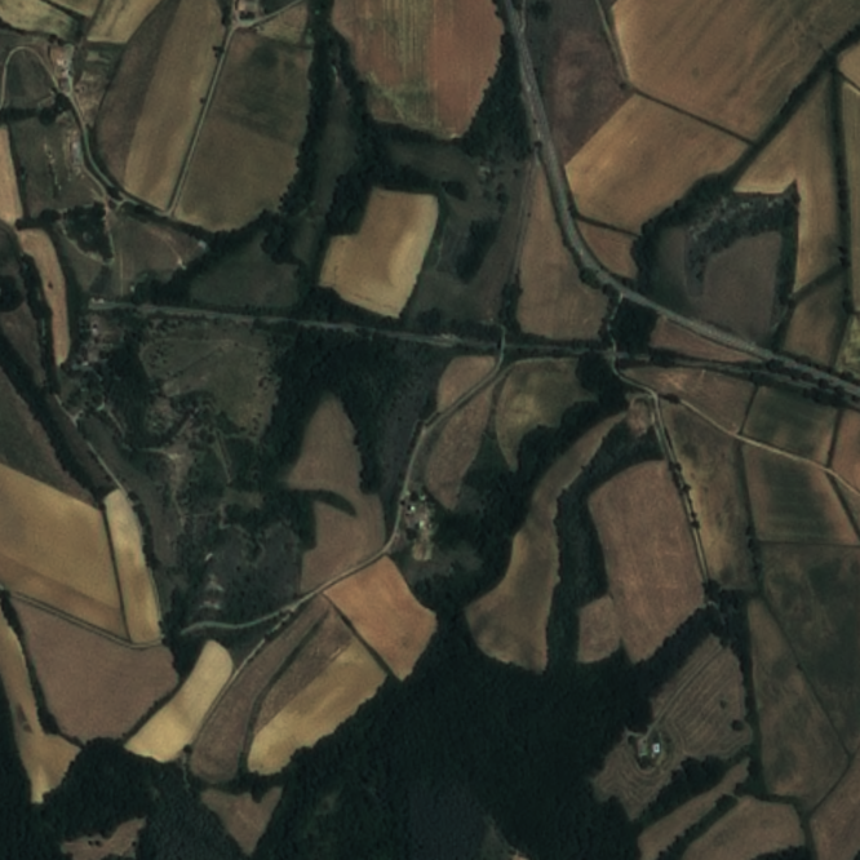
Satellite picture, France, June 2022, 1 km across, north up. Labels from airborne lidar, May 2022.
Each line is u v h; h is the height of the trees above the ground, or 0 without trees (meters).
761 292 0
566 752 11
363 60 0
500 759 11
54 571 0
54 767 0
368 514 0
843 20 0
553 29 0
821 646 0
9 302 8
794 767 0
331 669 0
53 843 9
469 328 8
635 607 0
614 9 0
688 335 0
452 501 0
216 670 0
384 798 16
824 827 0
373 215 0
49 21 0
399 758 15
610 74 0
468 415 0
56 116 6
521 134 10
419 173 8
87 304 9
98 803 8
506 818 10
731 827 0
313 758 16
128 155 0
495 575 6
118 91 0
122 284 0
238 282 0
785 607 0
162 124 0
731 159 0
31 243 0
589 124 0
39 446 0
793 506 0
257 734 0
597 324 0
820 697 0
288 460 7
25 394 13
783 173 0
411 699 11
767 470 0
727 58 0
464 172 0
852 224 0
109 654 0
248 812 0
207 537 8
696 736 0
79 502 0
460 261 6
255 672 0
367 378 6
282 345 9
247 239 11
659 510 0
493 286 0
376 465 6
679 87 0
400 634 0
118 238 0
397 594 0
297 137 0
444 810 16
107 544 0
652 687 17
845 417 0
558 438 13
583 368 9
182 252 0
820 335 0
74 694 0
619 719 7
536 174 0
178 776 7
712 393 0
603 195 0
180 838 19
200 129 0
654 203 0
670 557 0
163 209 0
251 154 0
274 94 0
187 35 0
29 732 0
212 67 0
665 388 0
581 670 8
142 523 8
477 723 13
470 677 10
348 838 8
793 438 0
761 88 0
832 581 0
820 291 0
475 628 0
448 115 0
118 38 0
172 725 0
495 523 10
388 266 0
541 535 0
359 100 10
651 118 0
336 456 0
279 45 0
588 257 0
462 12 0
